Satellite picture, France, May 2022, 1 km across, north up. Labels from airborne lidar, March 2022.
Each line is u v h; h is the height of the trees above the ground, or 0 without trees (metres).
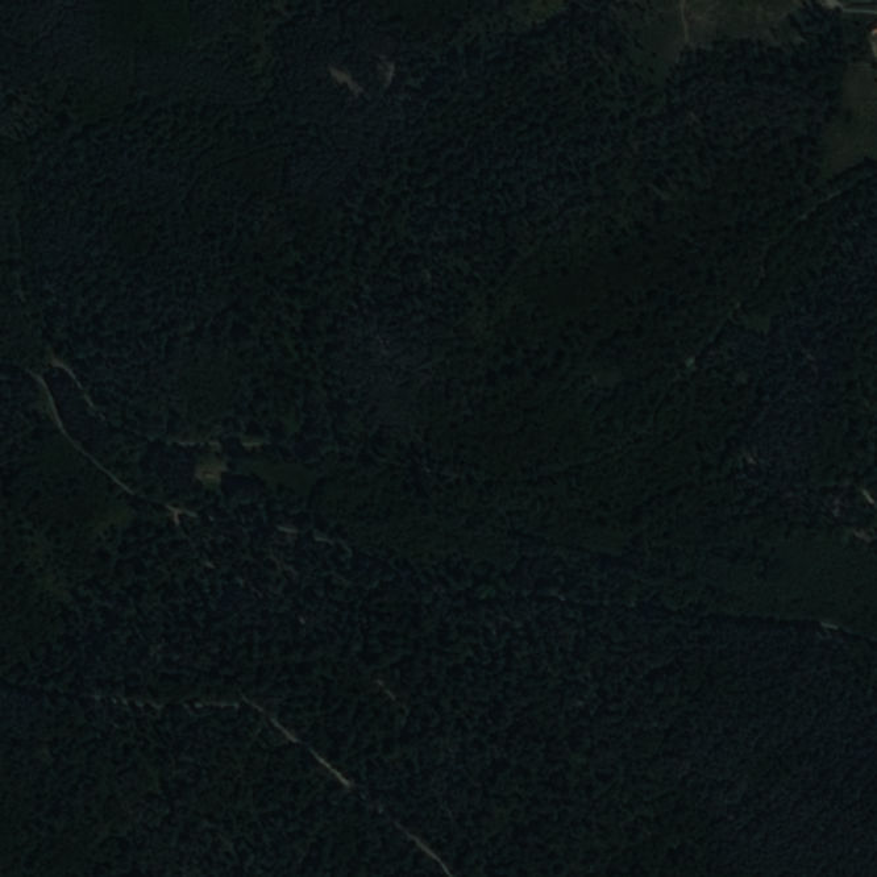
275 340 14
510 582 28
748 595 20
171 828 30
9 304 19
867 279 19
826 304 30
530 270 7
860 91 0
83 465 20
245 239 7
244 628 33
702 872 9
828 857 23
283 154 8
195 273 11
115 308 22
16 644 23
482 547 18
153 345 40
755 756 25
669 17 0
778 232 15
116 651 39
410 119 19
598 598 27
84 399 16
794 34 0
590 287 13
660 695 30
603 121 23
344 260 24
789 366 28
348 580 35
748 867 28
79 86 12
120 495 10
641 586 27
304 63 22
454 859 8
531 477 25
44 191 23
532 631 34
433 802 20
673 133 26
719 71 11
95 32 20
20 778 24
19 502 13
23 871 21
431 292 12
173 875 32
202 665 19
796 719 26
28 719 29
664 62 0
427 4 16
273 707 16
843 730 28
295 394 26
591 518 12
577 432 12
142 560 12
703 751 24
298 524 31
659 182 24
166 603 39
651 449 6
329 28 19
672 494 22
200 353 14
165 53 18
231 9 10
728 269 18
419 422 25
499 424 12
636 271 13
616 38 13
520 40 9
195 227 9
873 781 26
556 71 30
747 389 14
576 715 31
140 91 13
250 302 12
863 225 13
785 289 16
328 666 15
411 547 9
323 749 12
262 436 26
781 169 14
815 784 25
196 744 30
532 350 12
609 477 9
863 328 28
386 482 9
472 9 17
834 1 0
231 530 35
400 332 20
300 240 14
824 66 28
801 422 24
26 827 30
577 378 7
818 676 23
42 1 24
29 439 12
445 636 32
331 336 8
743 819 17
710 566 23
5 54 20
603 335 9
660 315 12
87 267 14
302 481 0
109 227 13
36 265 12
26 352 20
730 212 15
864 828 25
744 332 20
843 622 13
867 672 25
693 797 24
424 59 21
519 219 21
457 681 32
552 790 34
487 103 8
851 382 15
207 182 7
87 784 30
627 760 31
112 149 13
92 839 15
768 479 22
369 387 21
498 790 33
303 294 23
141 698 18
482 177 21
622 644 32
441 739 28
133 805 30
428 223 12
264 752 29
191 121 12
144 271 23
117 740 22
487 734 13
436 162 17
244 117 9
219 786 12
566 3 7
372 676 27
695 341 17
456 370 21
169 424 33
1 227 26
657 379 13
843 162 0
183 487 32
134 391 14
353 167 20
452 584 6
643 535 16
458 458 13
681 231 7
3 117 28
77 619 16
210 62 16
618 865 11
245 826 10
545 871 30
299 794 25
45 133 15
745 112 28
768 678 18
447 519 25
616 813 32
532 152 21
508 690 30
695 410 18
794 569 24
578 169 10
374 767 39
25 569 17
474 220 19
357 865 27
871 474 27
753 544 9
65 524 16
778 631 26
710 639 30
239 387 38
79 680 29
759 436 23
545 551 25
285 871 19
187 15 10
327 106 18
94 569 10
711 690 20
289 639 15
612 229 22
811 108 34
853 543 19
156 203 18
